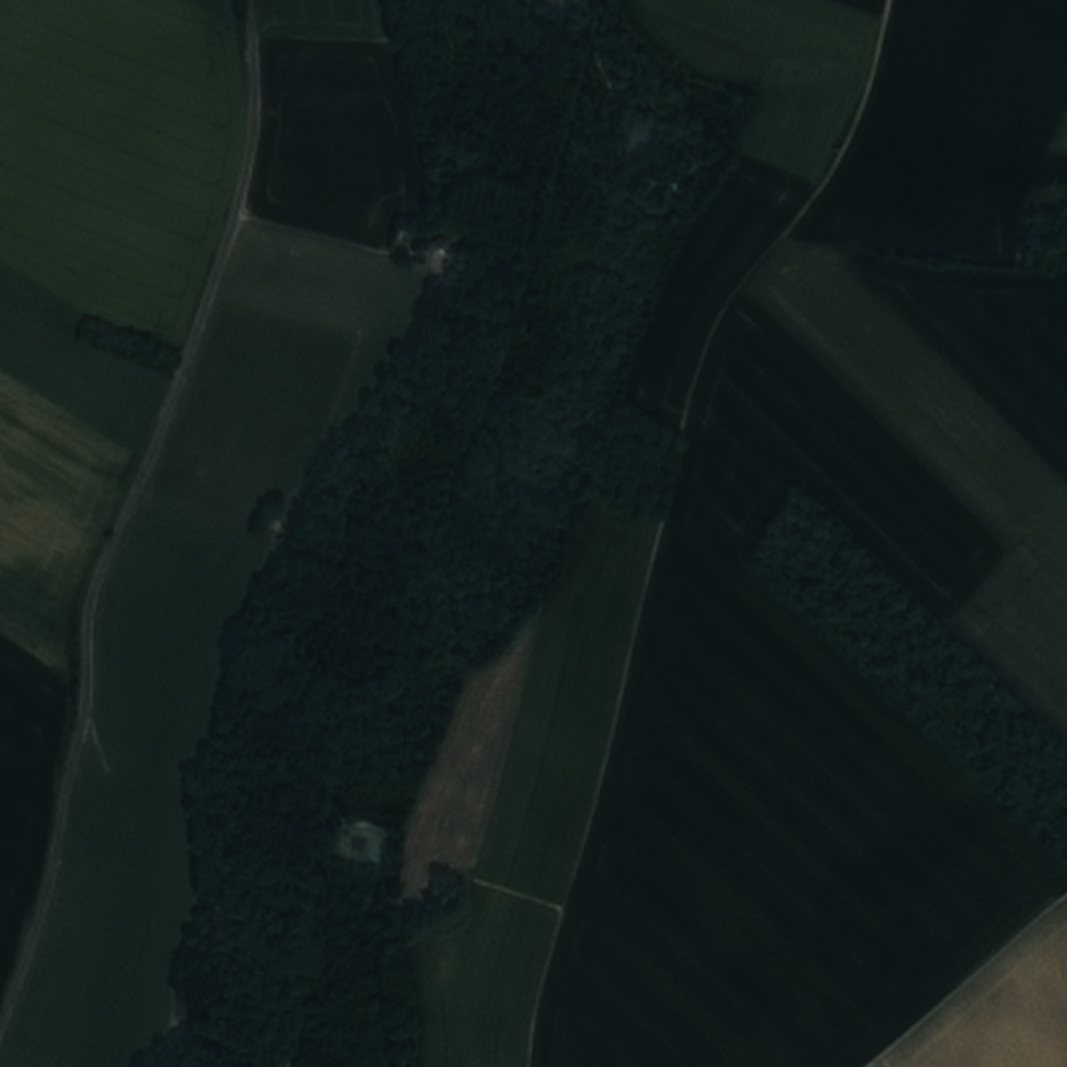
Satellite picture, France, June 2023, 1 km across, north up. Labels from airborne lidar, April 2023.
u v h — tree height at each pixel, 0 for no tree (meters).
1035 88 0
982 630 0
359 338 0
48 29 0
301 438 0
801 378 0
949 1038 0
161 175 0
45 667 0
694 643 0
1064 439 0
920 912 0
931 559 0
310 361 0
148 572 0
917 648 18
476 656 26
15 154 0
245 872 25
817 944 0
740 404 0
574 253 11
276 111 0
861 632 16
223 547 0
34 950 0
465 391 24
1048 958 0
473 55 7
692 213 8
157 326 0
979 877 0
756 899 0
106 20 0
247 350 0
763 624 0
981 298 0
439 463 6
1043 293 0
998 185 0
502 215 23
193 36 0
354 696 30
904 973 0
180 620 0
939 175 0
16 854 0
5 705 0
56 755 0
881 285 0
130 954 0
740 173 0
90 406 0
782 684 0
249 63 0
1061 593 0
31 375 0
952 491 0
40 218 0
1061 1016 0
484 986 0
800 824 0
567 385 27
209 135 0
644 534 0
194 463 0
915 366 0
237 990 16
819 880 0
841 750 0
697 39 0
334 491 31
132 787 0
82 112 0
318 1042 15
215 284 0
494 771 0
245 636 39
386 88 0
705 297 0
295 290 0
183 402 0
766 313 0
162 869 0
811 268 0
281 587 31
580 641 0
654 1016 0
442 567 23
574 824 0
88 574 0
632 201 11
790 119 0
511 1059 0
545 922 0
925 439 0
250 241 0
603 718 0
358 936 11
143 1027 0
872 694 0
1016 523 0
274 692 24
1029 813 19
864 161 0
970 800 0
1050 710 0
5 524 0
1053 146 0
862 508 0
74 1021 0
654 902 0
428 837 0
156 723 0
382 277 0
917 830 0
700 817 0
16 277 0
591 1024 0
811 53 0
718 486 0
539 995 0
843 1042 0
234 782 24
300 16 0
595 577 0
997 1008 0
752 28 0
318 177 0
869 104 0
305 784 36
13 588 0
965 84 0
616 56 21
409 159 0
